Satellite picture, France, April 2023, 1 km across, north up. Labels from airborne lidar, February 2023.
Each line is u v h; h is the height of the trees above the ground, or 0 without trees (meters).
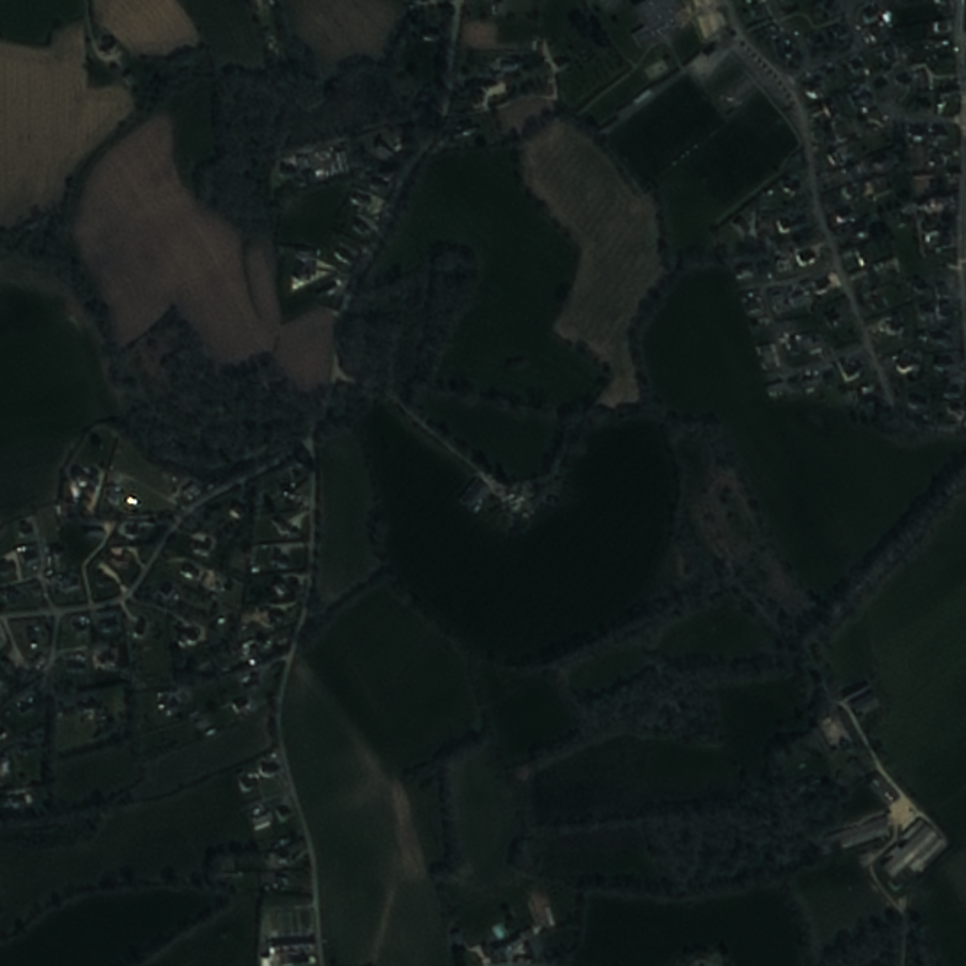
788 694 0
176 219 0
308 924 0
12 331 0
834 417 0
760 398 0
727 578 20
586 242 0
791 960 0
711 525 9
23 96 0
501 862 0
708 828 20
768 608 10
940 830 0
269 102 17
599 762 0
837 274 0
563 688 12
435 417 0
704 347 0
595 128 17
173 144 0
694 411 0
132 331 0
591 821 10
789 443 0
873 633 0
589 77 0
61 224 27
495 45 0
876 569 17
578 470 0
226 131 14
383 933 0
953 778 0
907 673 0
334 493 0
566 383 0
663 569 0
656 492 0
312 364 0
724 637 0
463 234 0
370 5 0
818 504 0
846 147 0
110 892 18
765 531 10
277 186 0
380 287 17
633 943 0
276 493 0
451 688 0
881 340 0
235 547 8
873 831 0
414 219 0
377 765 0
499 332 0
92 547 0
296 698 0
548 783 0
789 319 0
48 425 0
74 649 0
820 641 20
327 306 0
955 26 0
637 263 0
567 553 0
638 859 0
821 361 0
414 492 0
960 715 0
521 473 0
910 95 0
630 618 11
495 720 0
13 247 13
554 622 0
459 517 0
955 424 0
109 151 0
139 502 0
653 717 16
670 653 0
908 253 0
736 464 13
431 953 0
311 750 0
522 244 0
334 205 0
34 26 0
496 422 0
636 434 0
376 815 0
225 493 0
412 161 9
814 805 18
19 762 0
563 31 0
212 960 0
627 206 0
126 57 0
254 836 0
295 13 0
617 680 0
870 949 22
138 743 11
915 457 0
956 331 0
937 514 17
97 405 0
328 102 11
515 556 0
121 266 0
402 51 15
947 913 0
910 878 0
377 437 0
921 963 16
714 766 0
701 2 0
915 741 0
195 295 0
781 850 28
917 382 5
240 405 12
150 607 10
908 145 12
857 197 0
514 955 0
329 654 0
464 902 0
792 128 0
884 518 0
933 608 0
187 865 0
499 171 0
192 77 8
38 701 15
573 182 0
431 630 0
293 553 0
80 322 0
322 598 10
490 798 0
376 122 16
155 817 0
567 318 0
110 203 0
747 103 0
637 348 10
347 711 0
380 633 0
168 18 0
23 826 10
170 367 10
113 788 0
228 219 8
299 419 22
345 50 0
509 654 0
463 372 0
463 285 14
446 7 6
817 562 0
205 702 0
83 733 0
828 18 6
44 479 0
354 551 0
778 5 0
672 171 0
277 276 0
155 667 0
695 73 0
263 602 8
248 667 7
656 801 0
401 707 0
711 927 0
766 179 0
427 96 7
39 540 0
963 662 0
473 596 0
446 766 12
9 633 0
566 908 0
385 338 19
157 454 9
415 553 0
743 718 0
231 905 11
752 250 10
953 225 9
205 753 0
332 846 0
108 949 0
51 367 0
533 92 12
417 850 0
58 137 0
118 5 0
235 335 0
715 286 0
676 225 0
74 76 0
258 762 0
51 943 0
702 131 0
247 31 0
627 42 0
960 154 0
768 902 0
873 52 0
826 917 0
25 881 0
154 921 0
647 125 0
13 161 0
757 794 8
